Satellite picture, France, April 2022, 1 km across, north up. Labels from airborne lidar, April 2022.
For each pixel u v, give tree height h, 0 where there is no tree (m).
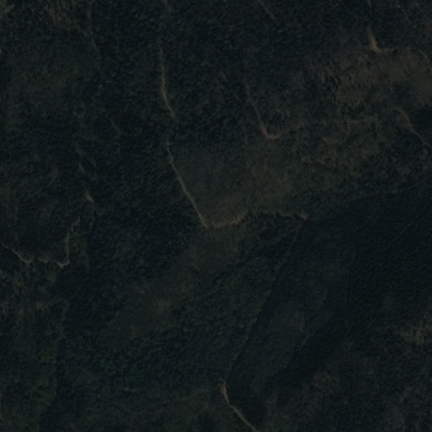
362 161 28
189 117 17
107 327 24
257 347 15
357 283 16
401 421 18
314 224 17
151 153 7
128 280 16
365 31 10
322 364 23
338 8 25
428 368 31
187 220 14
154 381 19
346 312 19
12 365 26
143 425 15
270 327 17
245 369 13
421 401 24
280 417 15
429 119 15
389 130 37
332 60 17
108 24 10
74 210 21
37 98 28
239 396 21
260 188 24
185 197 10
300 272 12
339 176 24
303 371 22
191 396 16
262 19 26
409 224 18
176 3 8
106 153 19
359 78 9
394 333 18
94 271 23
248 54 11
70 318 16
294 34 15
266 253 10
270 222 27
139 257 11
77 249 20
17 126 22
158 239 24
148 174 21
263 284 21
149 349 17
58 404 17
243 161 20
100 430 21
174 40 7
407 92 35
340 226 15
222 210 13
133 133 17
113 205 11
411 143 31
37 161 27
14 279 20
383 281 21
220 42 28
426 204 20
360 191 27
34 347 31
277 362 18
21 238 19
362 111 10
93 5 12
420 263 15
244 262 14
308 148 29
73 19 27
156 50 25
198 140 23
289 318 14
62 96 25
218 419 14
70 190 29
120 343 22
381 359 19
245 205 22
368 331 22
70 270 16
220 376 16
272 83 21
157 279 21
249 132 18
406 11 8
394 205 20
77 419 8
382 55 11
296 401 21
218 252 21
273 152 18
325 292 13
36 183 13
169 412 12
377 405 21
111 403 21
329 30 33
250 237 27
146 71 19
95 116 13
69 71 25
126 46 12
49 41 28
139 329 27
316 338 19
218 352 13
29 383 22
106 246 12
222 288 18
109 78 27
